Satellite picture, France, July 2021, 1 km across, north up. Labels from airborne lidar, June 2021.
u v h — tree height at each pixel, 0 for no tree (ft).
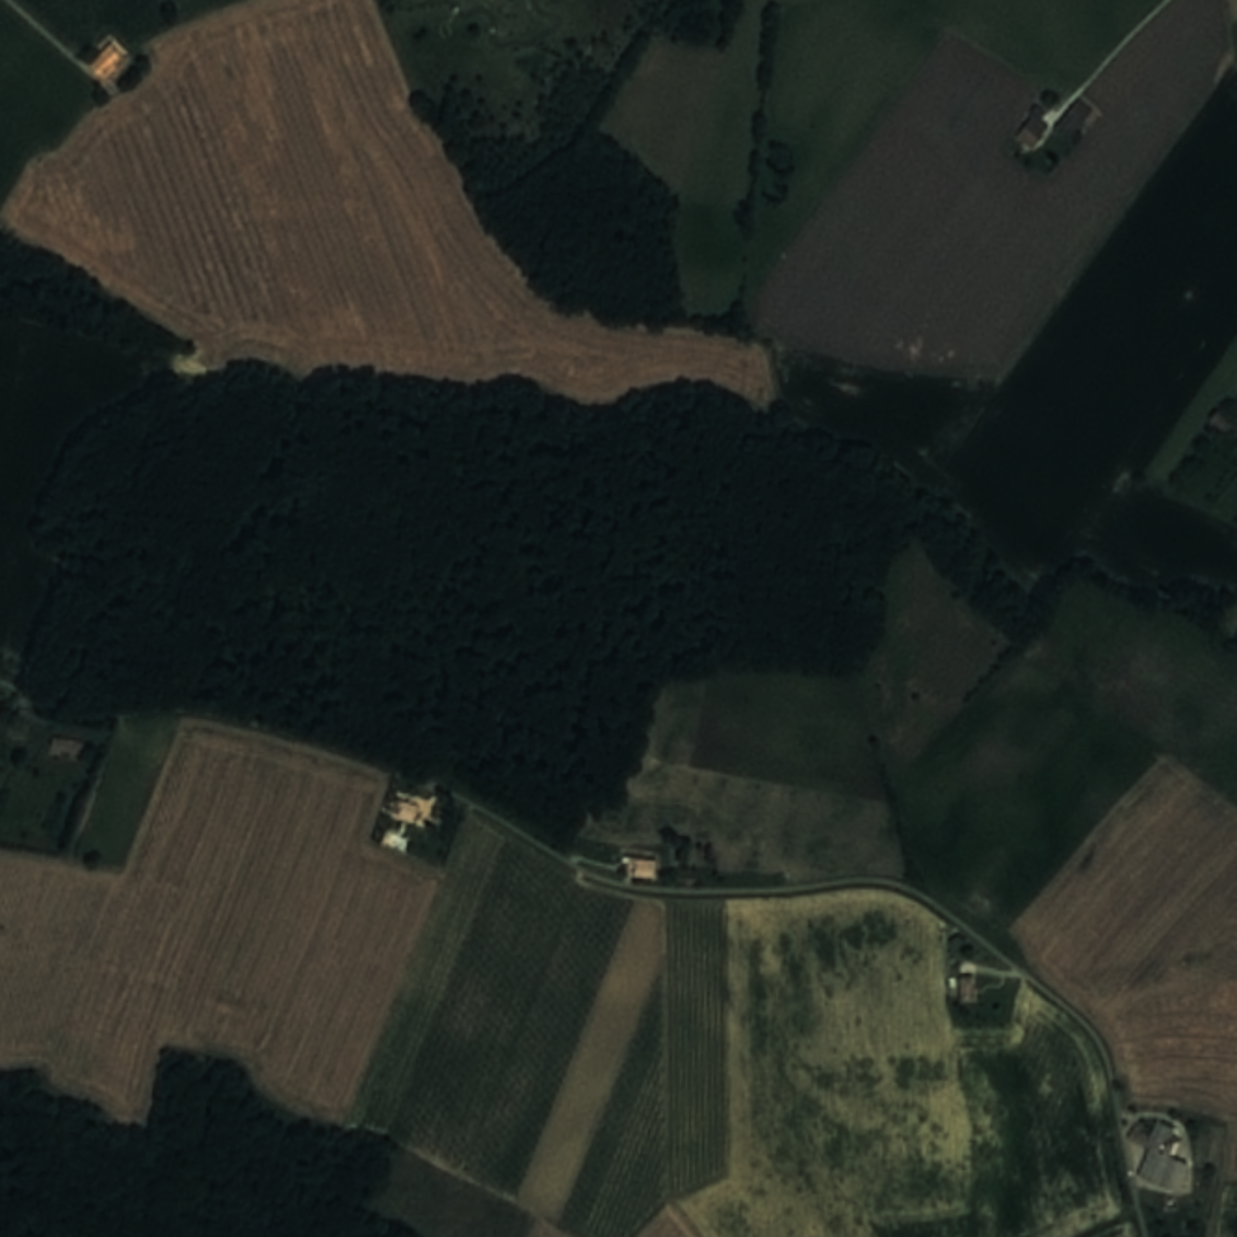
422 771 58
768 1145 0
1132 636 0
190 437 98
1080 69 0
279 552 86
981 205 0
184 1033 0
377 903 0
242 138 0
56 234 0
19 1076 40
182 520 91
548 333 0
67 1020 0
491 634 78
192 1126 82
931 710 0
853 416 0
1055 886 0
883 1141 0
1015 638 62
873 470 84
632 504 91
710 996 0
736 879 0
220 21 0
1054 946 0
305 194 0
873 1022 0
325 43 0
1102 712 0
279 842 0
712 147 0
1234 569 0
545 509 85
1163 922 0
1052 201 0
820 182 0
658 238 57
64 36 0
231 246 0
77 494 91
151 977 0
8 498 0
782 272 0
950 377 0
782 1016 0
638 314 56
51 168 0
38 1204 96
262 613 93
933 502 59
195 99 0
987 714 0
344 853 0
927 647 0
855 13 0
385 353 0
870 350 0
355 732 77
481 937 0
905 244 0
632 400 36
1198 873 0
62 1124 78
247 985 0
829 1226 0
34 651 61
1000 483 0
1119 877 0
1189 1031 0
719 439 81
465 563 74
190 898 0
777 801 0
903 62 0
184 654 87
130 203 0
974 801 0
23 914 0
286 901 0
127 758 0
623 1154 0
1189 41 0
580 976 0
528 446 78
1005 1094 0
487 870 0
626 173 77
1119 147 0
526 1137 0
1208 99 0
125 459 95
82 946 0
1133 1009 0
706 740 0
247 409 80
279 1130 69
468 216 0
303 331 0
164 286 0
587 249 59
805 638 99
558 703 91
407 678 68
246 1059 0
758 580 92
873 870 0
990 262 0
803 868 0
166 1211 74
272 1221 79
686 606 100
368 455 79
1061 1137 0
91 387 0
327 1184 80
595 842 0
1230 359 0
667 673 91
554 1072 0
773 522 93
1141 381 0
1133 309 0
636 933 0
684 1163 0
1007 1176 0
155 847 0
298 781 0
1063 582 44
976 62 0
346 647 73
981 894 0
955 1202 0
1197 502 0
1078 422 0
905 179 0
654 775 0
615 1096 0
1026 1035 0
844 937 0
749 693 0
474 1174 0
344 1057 0
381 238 0
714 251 0
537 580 88
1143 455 0
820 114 0
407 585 58
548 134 31
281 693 78
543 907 0
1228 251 0
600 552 93
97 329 68
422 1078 0
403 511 56
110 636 74
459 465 74
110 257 0
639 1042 0
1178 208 0
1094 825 0
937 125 0
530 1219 0
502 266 0
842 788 0
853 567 92
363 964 0
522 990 0
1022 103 0
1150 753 0
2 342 0
